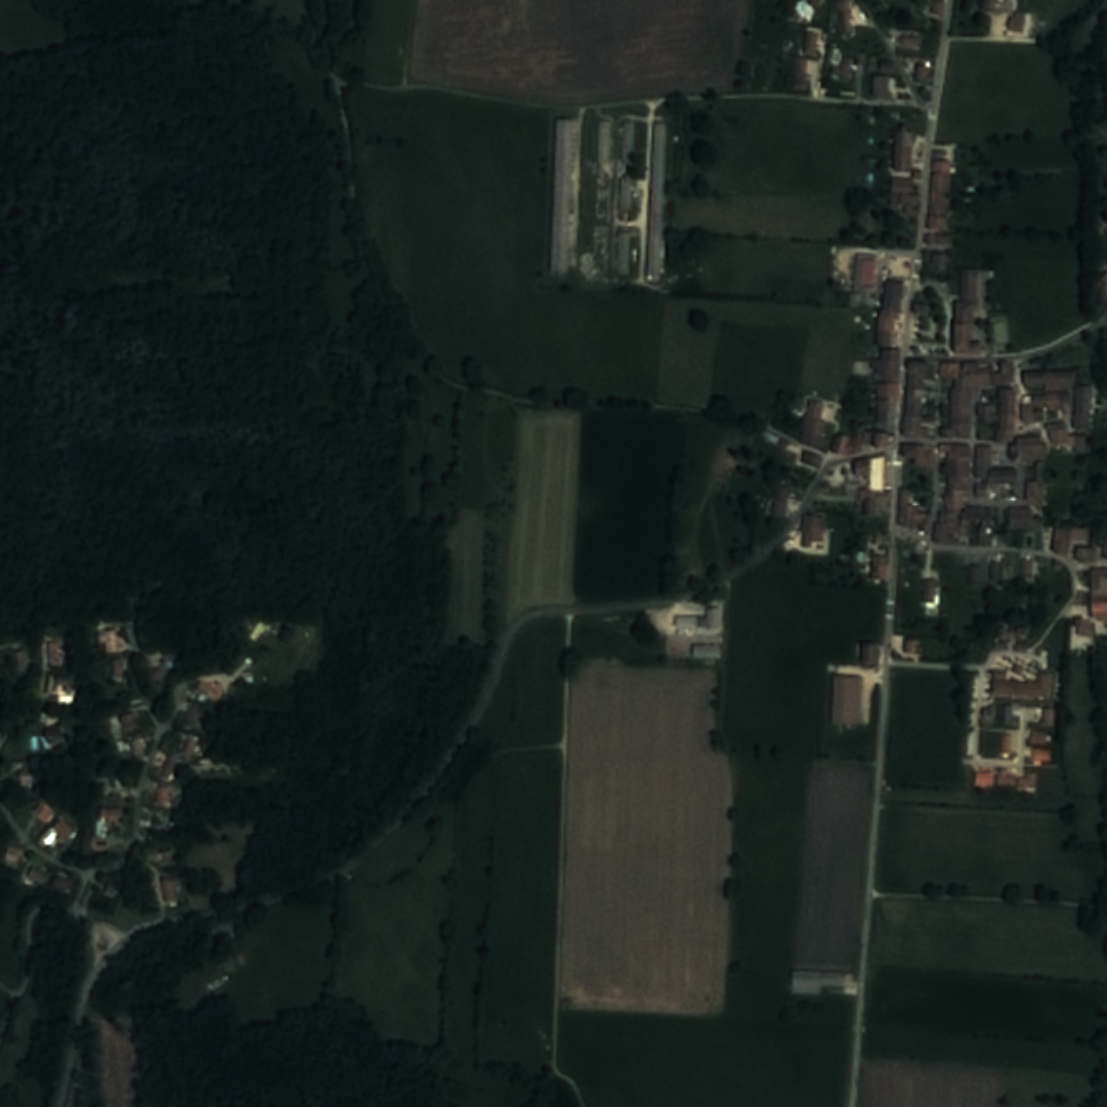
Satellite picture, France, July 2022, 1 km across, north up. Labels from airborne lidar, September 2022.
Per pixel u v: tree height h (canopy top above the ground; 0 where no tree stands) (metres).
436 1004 0
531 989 0
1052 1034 0
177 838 15
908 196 0
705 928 0
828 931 0
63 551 14
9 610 16
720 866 0
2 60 20
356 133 10
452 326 0
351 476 18
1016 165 0
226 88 19
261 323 13
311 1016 18
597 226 0
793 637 0
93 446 17
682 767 0
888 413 0
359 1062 23
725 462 0
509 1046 0
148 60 24
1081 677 0
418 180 0
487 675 12
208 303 10
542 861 0
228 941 16
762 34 0
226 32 19
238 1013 14
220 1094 18
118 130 19
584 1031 0
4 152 19
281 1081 16
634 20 0
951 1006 0
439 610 18
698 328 17
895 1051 0
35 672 13
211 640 13
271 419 20
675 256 11
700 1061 0
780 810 0
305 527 17
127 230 21
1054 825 0
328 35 13
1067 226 0
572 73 0
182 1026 17
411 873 7
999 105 0
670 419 0
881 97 0
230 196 17
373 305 15
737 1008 0
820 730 0
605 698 0
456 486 12
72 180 15
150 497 18
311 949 0
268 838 25
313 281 10
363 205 14
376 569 12
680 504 19
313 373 12
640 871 0
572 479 0
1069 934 0
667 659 7
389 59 0
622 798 0
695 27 0
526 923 0
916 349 9
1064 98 0
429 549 18
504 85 0
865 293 0
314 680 12
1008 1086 0
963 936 0
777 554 7
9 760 13
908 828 0
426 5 0
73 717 10
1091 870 0
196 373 19
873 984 0
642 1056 0
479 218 0
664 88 0
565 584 0
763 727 0
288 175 15
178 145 20
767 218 0
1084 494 7
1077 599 0
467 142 0
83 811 25
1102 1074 13
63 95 18
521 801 0
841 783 0
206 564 17
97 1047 22
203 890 15
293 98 14
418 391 17
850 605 0
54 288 19
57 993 16
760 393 0
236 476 22
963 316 0
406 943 0
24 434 16
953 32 7
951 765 0
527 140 0
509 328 0
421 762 24
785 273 0
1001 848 0
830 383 0
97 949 0
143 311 23
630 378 0
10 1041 11
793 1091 0
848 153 0
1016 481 0
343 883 18
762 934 0
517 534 0
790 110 0
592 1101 0
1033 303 0
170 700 14
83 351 20
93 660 18
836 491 0
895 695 0
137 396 19
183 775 18
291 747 18
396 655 16
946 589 7
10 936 0
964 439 0
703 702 0
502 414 0
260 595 12
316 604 14
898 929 0
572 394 15
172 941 23
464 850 0
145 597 12
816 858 0
